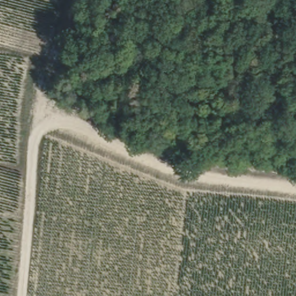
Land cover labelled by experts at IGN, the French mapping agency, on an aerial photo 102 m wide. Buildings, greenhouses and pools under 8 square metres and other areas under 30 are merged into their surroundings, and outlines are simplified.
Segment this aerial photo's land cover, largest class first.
<instances>
[{"label":"vineyard","instance_id":"1","mask_svg":"<svg viewBox=\"0 0 296 296\"><path fill-rule=\"evenodd\" d=\"M76 0H0V296H17L27 185L28 140L34 120L32 109L36 101V92L40 89L45 94L47 91L57 92L60 80L71 79L67 65L60 60L57 35L65 25L74 21L72 17ZM27 296H296V193L210 185L199 183L197 179L184 182L173 171L170 175H165L149 166L127 161L112 151L92 146L58 129L45 133L38 147L35 215L32 223Z\"/></svg>","mask_w":296,"mask_h":296},{"label":"deciduous trees","instance_id":"2","mask_svg":"<svg viewBox=\"0 0 296 296\"><path fill-rule=\"evenodd\" d=\"M74 21L65 25L57 35L60 60L67 65L71 79L60 80L57 92L47 91L45 94L60 110L68 114L76 113L77 117L88 121L106 141L118 139L124 142L129 155H154L158 160L170 165L173 171L184 182L197 179L202 173L212 171L231 177H282L296 185V0H76L72 17Z\"/></svg>","mask_w":296,"mask_h":296},{"label":"pervious surface","instance_id":"3","mask_svg":"<svg viewBox=\"0 0 296 296\"><path fill-rule=\"evenodd\" d=\"M34 120L28 140L27 185L17 296H27L32 223L35 215L38 147L45 133L58 129L92 146L112 151L127 161L149 166L165 175H170L173 171L170 165L158 160L154 155H129L124 142L118 139L106 141L88 121L77 117L76 113L68 114L60 110L45 94L40 89L36 92V101L32 109ZM197 179L199 183L210 185L296 193V185L282 177H231L212 171L202 173Z\"/></svg>","mask_w":296,"mask_h":296}]
</instances>
